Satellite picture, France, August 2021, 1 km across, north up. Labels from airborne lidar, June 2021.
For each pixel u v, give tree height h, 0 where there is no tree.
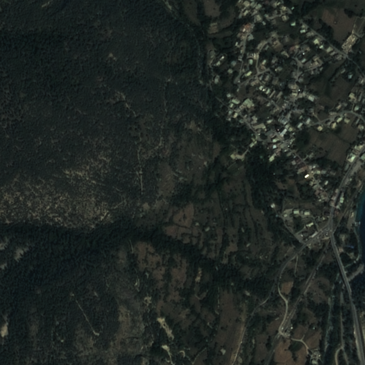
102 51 13
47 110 7
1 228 25
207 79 13
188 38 12
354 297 10
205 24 16
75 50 11
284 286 0
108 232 18
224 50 15
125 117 8
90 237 20
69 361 7
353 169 0
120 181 7
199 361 0
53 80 24
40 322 9
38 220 9
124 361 9
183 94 11
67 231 14
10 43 26
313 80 8
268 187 18
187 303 7
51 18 12
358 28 0
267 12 18
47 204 7
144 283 8
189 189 11
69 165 10
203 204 8
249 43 12
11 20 10
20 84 9
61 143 11
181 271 0
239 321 8
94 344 6
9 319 10
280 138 0
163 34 11
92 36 11
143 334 11
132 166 7
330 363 19
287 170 6
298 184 13
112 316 9
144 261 7
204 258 22
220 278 9
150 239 7
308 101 7
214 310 8
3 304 15
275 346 0
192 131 12
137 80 14
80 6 13
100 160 6
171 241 14
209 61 0
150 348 6
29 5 7
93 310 10
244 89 0
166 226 7
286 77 0
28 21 14
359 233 0
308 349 0
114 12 8
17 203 6
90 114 12
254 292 13
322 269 12
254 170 8
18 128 15
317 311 16
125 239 19
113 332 8
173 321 8
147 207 0
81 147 12
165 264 7
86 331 7
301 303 8
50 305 21
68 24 13
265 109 0
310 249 8
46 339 15
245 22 6
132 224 10
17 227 20
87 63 17
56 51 18
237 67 0
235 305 0
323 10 0
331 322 0
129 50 10
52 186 7
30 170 11
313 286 0
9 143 11
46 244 20
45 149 11
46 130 9
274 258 10
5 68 13
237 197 8
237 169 0
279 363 0
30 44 13
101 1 12
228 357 0
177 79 10
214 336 7
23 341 17
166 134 11
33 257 17
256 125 0
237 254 8
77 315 8
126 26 8
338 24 0
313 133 0
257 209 8
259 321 6
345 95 0
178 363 11
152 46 12
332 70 0
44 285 12
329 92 0
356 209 11
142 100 10
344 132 0
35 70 19
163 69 10
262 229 6
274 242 8
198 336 11
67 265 15
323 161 14
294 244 13
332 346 19
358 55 9
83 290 9
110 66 5
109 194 6
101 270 9
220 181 11
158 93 13
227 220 7
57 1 8
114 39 8
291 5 20
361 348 0
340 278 0
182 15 20
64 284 10
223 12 8
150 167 11
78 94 16
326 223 0
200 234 7
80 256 15
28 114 8
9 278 16
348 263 14
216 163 11
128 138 11
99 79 12
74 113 10
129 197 6
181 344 11
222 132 10
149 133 7
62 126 9
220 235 0
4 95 15
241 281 15
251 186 8
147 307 6
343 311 14
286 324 0
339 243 8
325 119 0
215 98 12
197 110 12
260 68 0
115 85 10
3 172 13
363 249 0
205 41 6
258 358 0
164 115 9
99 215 6
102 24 9
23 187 7
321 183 7
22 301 21
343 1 0
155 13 16
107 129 10
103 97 11
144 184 9
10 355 16
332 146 0
